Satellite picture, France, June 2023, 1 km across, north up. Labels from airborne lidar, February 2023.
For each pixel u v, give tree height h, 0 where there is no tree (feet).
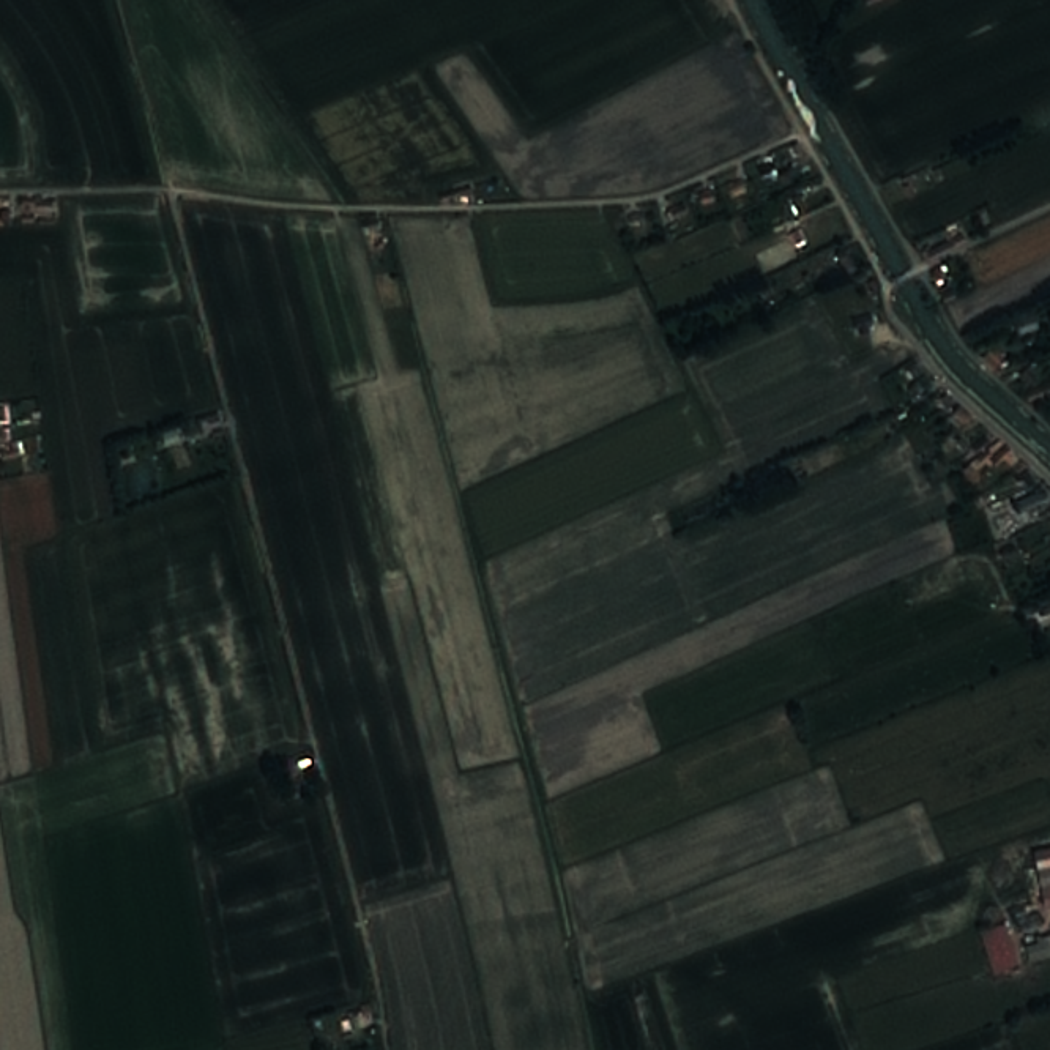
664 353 0
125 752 0
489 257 0
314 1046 41
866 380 0
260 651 0
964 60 0
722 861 0
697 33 0
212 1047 0
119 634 0
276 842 0
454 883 0
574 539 0
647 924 0
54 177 0
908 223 0
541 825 0
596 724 0
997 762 0
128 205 0
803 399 0
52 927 0
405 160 0
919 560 0
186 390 0
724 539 0
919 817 0
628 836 0
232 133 0
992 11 0
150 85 0
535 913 0
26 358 0
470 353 0
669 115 0
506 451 0
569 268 0
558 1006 0
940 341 0
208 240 0
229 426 0
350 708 0
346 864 0
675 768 0
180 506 0
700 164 0
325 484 0
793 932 0
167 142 0
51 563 0
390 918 0
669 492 0
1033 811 0
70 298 0
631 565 0
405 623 0
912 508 0
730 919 0
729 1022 0
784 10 90
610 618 0
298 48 0
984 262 0
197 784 0
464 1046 0
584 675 0
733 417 0
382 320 0
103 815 0
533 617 0
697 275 0
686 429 0
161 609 0
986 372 0
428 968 0
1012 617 0
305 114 0
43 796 0
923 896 0
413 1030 0
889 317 0
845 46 0
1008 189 0
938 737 0
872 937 0
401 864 0
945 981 0
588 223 0
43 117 0
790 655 0
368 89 0
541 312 0
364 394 0
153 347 0
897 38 0
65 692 0
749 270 0
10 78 0
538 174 0
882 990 0
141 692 0
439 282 0
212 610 0
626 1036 0
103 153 0
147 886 0
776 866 0
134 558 0
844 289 0
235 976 0
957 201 0
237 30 0
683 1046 0
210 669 0
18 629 0
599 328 0
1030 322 0
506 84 0
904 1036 0
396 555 0
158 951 0
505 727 0
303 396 0
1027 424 0
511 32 0
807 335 0
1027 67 0
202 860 0
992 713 0
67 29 0
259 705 0
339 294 0
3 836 0
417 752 0
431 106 0
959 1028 0
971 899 0
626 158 0
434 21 0
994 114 0
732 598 0
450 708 0
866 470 0
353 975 0
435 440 0
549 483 0
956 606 0
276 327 0
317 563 0
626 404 0
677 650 0
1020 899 0
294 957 0
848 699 0
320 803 0
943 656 0
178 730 0
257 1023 0
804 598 0
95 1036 0
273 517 0
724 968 0
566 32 0
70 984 0
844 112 0
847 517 0
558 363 0
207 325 0
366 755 0
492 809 0
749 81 0
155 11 0
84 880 0
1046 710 0
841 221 0
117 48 0
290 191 0
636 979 0
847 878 0
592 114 0
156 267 0
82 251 0
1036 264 0
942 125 0
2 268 0
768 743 0
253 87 0
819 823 0
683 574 0
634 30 0
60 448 0
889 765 0
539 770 0
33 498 0
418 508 0
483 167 0
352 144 0
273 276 0
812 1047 0
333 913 0
